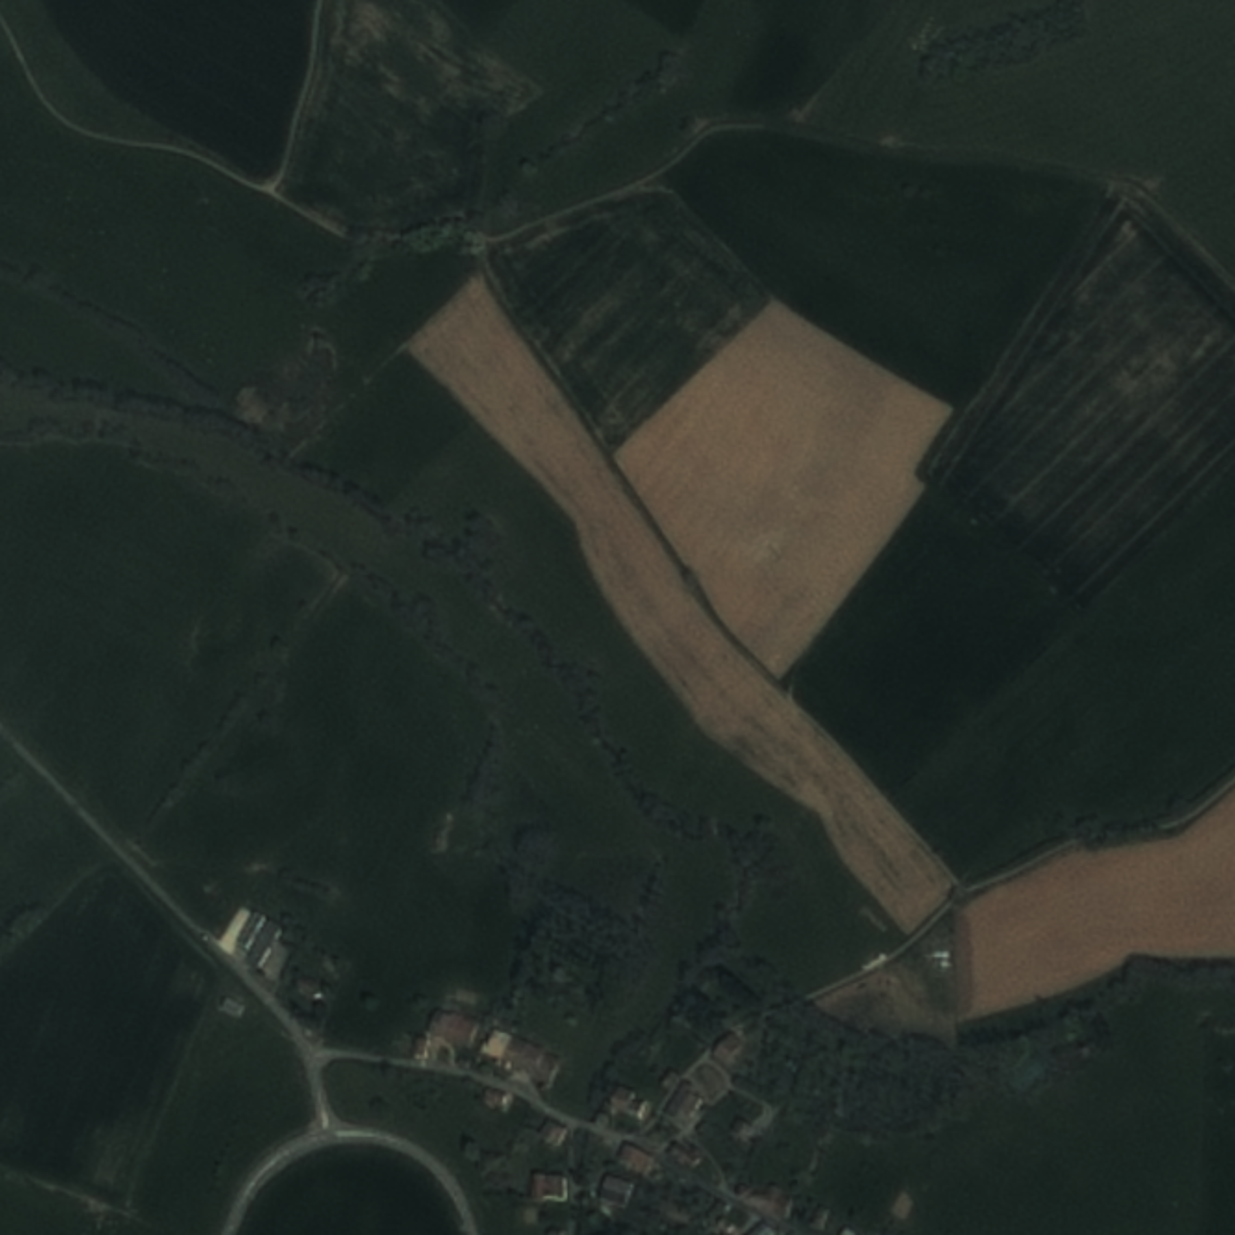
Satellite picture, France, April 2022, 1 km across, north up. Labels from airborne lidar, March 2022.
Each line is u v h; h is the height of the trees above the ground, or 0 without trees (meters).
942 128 0
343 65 0
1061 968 0
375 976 0
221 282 0
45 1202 0
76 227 0
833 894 0
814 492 0
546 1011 0
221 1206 0
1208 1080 0
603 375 0
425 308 0
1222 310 0
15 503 0
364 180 0
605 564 0
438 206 0
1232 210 0
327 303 11
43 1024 0
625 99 7
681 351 0
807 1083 14
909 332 0
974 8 0
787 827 0
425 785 0
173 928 0
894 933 0
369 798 0
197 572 0
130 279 0
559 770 0
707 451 0
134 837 0
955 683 0
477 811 17
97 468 0
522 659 0
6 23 0
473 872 0
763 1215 0
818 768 0
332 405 0
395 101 0
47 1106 0
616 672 0
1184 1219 0
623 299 0
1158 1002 0
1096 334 0
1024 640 0
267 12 0
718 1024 19
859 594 0
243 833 0
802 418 0
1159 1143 0
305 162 0
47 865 0
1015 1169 0
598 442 0
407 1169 0
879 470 0
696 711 0
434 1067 0
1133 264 0
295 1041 0
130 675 0
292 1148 0
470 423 0
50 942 0
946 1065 22
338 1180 0
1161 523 0
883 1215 0
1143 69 0
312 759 0
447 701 0
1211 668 0
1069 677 0
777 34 0
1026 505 0
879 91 0
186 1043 0
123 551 0
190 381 19
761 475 0
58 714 0
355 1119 0
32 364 0
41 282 18
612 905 0
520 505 0
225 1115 0
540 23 0
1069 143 0
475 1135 0
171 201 0
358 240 14
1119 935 0
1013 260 0
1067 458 0
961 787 0
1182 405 0
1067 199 0
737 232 0
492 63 0
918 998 0
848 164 0
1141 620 0
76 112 0
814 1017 20
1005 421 0
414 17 0
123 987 0
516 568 0
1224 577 0
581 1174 8
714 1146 0
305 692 0
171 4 0
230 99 0
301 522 0
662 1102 0
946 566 0
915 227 0
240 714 8
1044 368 0
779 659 0
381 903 0
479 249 11
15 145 0
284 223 0
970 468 0
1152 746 0
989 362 0
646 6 0
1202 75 0
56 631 0
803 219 0
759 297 0
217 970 0
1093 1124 0
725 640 0
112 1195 0
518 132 0
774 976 17
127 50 0
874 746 0
